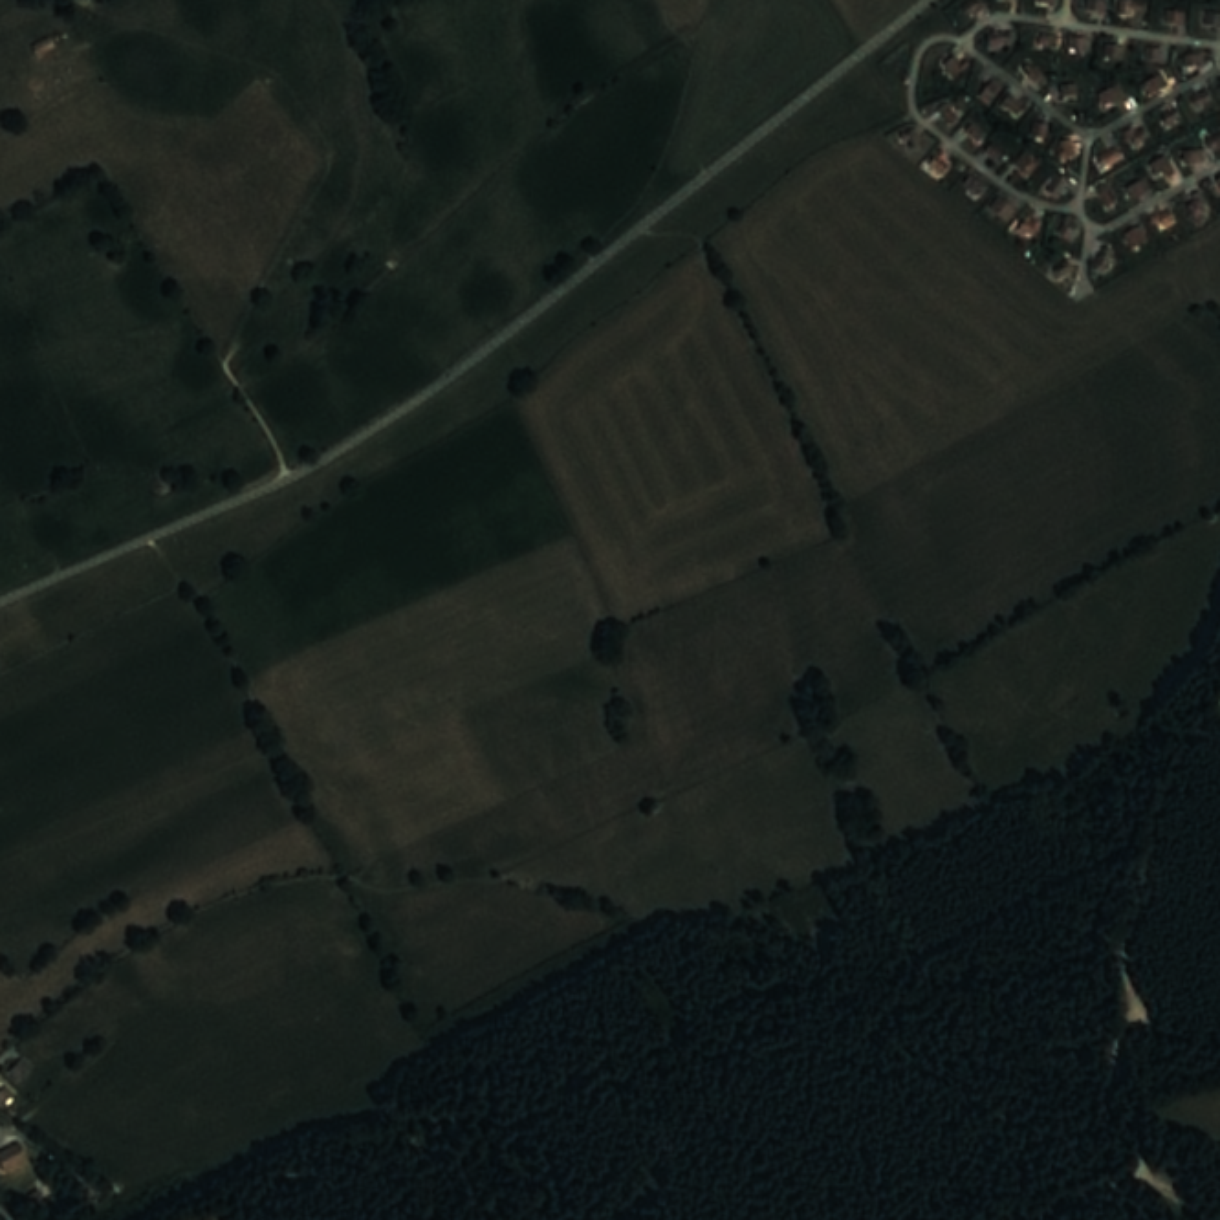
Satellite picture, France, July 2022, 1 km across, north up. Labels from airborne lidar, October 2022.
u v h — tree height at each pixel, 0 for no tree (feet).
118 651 0
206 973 0
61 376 0
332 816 0
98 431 0
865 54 0
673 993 105
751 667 0
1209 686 45
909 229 0
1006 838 76
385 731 0
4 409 0
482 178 0
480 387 0
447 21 0
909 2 0
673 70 0
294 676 0
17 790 0
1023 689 0
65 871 0
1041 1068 96
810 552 0
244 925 0
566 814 0
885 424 0
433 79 0
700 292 0
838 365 0
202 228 0
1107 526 0
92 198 0
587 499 0
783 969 105
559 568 0
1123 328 0
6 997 0
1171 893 73
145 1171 0
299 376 0
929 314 0
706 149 0
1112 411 0
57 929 0
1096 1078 115
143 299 0
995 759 0
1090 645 0
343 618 0
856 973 110
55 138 0
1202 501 0
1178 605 0
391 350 0
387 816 0
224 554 0
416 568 0
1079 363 0
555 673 0
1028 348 0
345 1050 0
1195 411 0
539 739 0
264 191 0
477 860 0
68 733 0
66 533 0
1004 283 0
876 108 0
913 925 74
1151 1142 101
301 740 0
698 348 0
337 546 0
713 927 104
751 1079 93
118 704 0
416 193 0
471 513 0
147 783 0
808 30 0
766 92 0
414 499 0
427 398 0
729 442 0
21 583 0
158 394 0
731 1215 109
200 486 46
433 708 0
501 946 0
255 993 0
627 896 0
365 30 74
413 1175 99
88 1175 58
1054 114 0
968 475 0
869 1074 117
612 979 102
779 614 0
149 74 0
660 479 0
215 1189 77
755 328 33
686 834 0
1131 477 0
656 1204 78
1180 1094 62
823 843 0
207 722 0
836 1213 109
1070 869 74
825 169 0
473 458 0
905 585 0
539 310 0
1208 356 0
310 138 0
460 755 0
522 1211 120
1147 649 0
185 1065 0
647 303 0
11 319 0
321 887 0
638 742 0
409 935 0
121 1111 0
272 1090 0
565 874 0
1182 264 0
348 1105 0
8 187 0
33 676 0
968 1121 103
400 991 61
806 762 0
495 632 0
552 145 0
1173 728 71
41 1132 40
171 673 0
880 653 0
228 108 0
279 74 0
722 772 0
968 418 0
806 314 0
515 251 0
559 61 0
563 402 0
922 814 0
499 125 0
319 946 0
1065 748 0
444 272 0
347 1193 112
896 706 0
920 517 0
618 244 0
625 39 0
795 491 0
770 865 0
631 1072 89
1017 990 96
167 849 0
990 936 115
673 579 0
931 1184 104
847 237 0
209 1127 0
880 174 0
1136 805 96
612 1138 105
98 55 0
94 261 0
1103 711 0
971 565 0
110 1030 0
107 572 0
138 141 0
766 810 0
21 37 0
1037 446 0
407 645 0
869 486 0
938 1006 89
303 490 0
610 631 62
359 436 0
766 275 0
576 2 0
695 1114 111
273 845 0
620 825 0
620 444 0
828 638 0
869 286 0
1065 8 0
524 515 0
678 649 0
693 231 0
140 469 0
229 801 0
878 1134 103
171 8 0
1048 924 109
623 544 0
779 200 0
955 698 0
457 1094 109
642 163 0
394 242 0
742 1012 117
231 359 0
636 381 0
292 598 0
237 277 0
